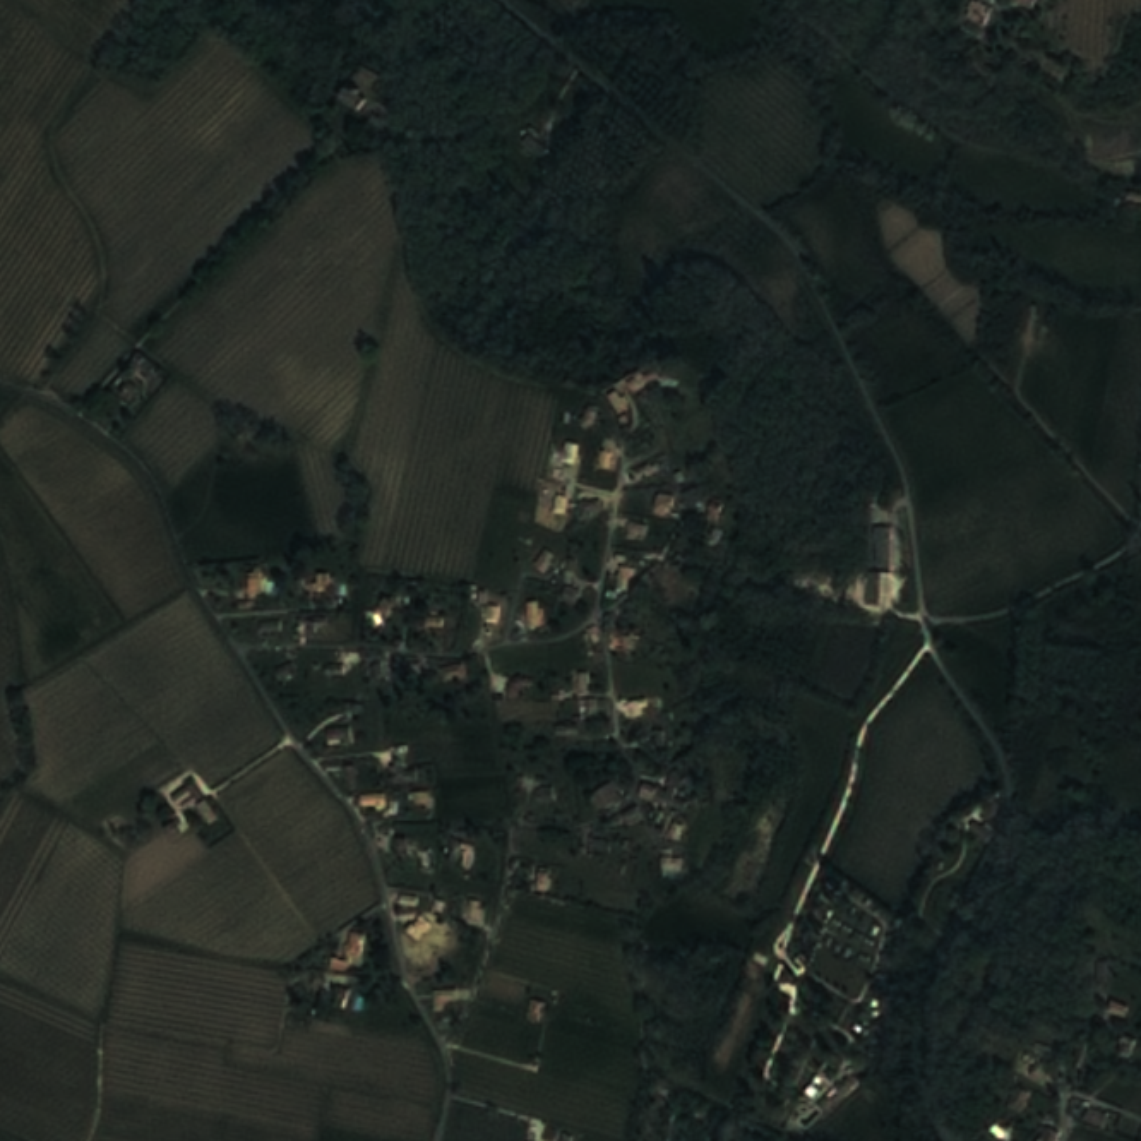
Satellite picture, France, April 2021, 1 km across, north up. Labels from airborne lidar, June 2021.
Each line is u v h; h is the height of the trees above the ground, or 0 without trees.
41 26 0
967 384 0
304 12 22
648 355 17
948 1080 18
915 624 0
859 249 0
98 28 0
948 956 17
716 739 20
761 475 21
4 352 0
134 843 11
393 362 0
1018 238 0
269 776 0
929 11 19
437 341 0
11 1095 0
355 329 0
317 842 0
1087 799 8
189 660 0
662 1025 21
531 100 19
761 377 16
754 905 16
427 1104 0
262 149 0
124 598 0
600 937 0
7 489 0
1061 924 18
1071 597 0
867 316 11
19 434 0
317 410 0
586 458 0
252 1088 0
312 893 0
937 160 0
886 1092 9
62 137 0
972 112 23
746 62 14
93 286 0
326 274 0
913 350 0
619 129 25
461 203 30
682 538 7
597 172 29
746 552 19
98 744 0
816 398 20
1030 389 0
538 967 0
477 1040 0
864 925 9
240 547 0
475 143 26
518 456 0
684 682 18
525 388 0
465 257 28
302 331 0
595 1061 0
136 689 0
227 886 0
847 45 23
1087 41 0
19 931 0
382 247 0
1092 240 0
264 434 14
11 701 12
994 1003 15
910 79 21
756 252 11
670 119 30
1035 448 0
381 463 0
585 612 6
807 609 27
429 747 0
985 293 7
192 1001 0
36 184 0
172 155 0
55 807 0
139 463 0
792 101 17
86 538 0
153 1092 0
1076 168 19
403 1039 0
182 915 0
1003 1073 16
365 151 10
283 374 0
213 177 0
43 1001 0
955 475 0
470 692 11
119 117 0
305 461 0
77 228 0
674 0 0
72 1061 0
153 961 0
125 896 0
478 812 0
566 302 15
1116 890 13
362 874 0
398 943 0
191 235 0
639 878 0
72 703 0
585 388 10
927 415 0
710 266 16
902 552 10
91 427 0
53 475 0
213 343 0
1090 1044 9
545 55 18
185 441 0
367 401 0
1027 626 21
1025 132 23
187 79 0
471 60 13
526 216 19
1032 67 12
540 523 0
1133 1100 0
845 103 0
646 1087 9
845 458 20
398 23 26
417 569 0
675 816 11
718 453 14
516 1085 0
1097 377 0
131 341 0
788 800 6
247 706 0
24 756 13
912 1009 21
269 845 0
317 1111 0
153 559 0
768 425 23
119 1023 0
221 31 23
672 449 0
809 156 14
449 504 0
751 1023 0
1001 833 20
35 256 0
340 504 0
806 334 10
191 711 0
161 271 0
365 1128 0
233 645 0
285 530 0
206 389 0
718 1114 10
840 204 0
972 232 11
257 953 0
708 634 11
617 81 22
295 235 0
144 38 22
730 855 8
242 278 0
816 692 12
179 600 0
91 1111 0
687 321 12
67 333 9
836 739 0
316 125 13
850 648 0
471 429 0
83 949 0
